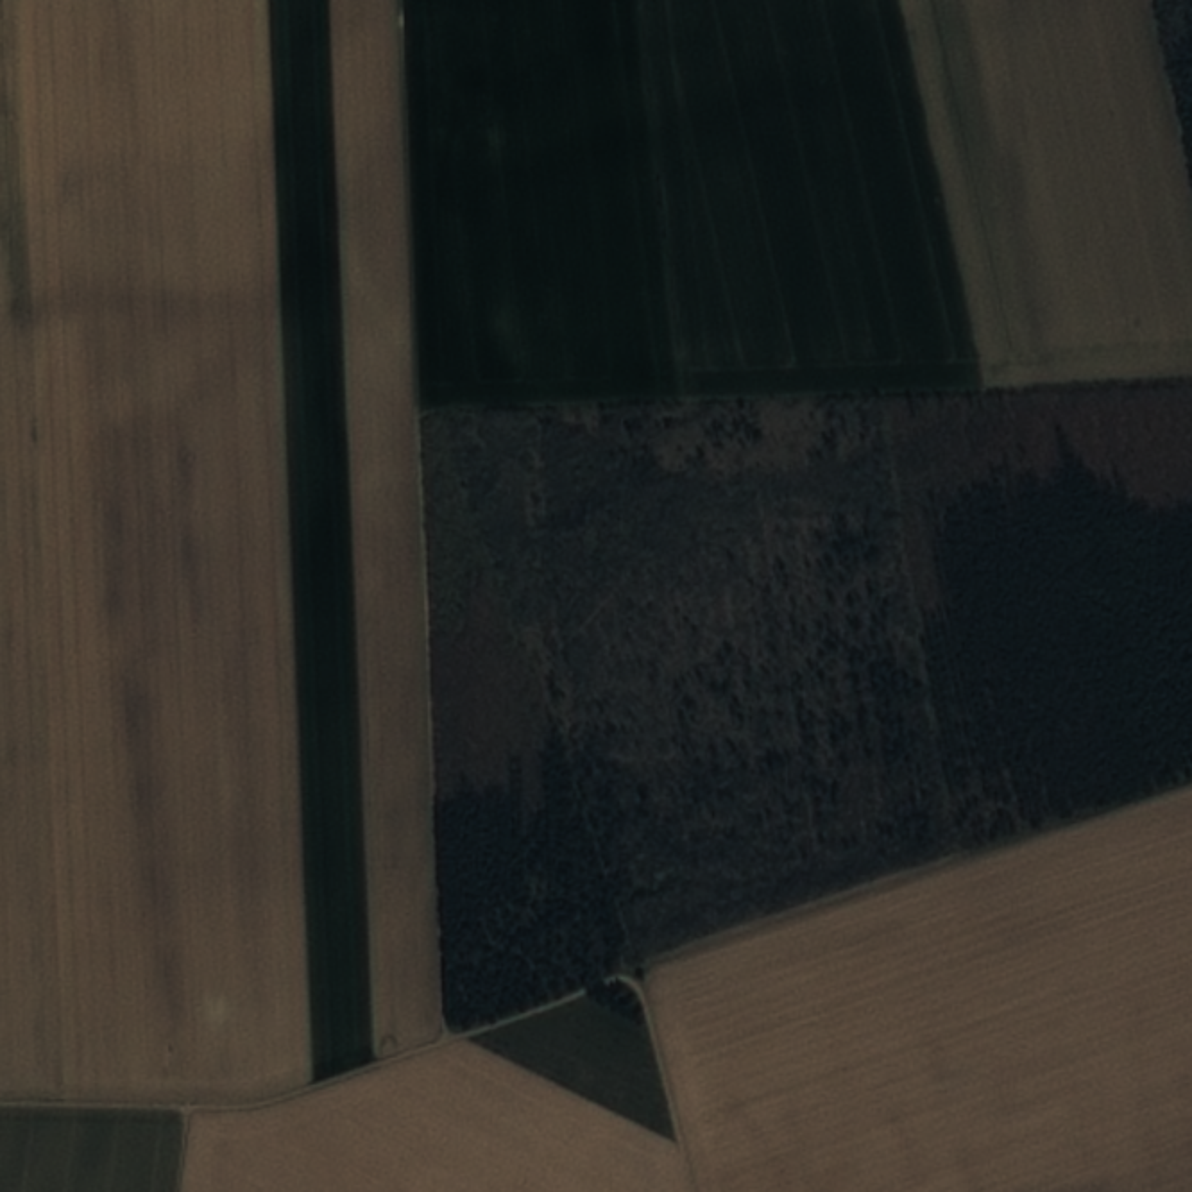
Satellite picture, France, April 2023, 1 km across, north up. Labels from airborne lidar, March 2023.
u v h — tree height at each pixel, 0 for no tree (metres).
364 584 0
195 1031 0
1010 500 8
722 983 0
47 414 0
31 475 0
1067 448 11
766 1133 0
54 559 0
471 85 0
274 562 0
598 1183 0
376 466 0
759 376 0
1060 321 0
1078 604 11
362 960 0
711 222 0
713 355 0
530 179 0
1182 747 9
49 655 0
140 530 0
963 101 0
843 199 0
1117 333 0
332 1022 0
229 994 0
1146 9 0
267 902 0
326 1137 0
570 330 0
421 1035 0
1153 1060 0
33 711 0
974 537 9
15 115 0
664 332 0
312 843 0
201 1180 0
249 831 0
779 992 0
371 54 0
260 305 0
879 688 11
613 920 11
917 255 0
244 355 0
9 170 0
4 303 0
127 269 0
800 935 0
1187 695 9
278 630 0
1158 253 0
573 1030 0
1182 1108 0
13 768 0
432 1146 0
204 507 0
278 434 0
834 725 8
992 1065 0
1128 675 10
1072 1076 0
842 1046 0
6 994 0
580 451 9
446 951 10
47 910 0
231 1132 0
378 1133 0
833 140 0
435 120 0
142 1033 0
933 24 0
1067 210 0
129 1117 0
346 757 0
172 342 0
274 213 0
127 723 0
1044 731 10
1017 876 0
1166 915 0
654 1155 0
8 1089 0
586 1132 0
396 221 0
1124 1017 0
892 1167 0
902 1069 0
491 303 0
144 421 0
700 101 0
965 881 0
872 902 0
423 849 0
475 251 0
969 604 9
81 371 0
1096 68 0
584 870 8
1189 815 0
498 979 9
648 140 0
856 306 0
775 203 0
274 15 0
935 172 0
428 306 0
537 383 0
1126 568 10
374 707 0
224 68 0
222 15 0
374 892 0
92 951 0
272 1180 0
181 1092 0
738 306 0
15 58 0
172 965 0
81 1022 0
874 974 0
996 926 0
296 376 0
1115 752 10
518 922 7
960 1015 0
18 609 0
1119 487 10
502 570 9
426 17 0
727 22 0
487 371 0
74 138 0
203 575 0
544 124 0
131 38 0
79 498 0
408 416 0
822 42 0
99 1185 0
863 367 0
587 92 0
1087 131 0
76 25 0
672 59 0
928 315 0
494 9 0
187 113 0
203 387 0
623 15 0
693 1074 0
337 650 0
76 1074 0
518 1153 0
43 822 0
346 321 0
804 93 0
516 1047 0
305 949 0
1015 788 8
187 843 0
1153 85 0
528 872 8
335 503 0
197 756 0
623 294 0
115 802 0
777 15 0
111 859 0
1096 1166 0
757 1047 0
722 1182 0
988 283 0
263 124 0
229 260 0
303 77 0
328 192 0
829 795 7
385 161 0
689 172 0
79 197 0
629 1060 0
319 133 0
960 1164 0
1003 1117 0
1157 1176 0
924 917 0
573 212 0
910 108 0
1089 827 0
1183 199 0
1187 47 12
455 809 8
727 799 9
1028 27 0
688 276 0
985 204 0
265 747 0
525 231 0
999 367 0
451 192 0
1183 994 0
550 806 9
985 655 9
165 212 0
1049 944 0
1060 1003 0
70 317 0
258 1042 0
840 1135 0
